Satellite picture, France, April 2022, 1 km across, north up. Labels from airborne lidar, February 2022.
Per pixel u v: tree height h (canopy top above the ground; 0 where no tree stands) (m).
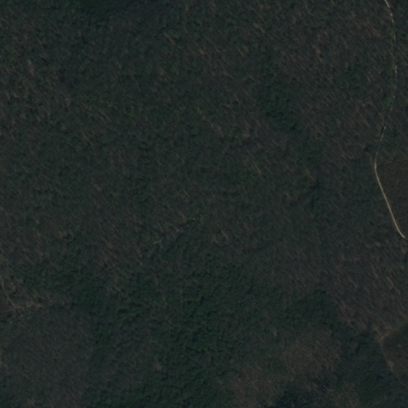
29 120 29
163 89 30
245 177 29
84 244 25
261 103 27
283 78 25
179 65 32
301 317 27
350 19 32
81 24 27
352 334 26
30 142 27
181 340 21
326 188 24
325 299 21
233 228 28
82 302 18
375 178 24
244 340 28
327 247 26
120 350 28
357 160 23
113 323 29
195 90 27
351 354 26
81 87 28
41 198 29
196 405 26
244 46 30
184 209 27
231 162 28
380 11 30
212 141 26
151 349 32
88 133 29
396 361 0
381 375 18
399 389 23
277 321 25
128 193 26
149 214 26
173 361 27
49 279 26
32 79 30
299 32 31
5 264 0
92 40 29
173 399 26
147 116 26
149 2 22
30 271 23
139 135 28
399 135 24
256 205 23
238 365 29
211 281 27
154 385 25
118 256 26
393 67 28
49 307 27
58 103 32
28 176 28
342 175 26
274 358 21
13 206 25
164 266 31
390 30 17
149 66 31
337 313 23
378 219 27
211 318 24
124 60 29
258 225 27
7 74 33
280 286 26
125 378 32
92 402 28
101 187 28
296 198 29
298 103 27
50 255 31
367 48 30
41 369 28
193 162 27
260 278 28
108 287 24
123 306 24
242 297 28
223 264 29
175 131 26
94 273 19
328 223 25
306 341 25
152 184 27
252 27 32
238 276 25
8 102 30
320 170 27
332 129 27
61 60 30
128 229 27
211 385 29
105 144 23
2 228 30
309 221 30
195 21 33
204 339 26
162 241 28
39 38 28
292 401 22
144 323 27
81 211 28
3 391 21
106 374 30
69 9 21
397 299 29
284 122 27
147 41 29
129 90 31
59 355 27
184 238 27
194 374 29
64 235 27
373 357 22
